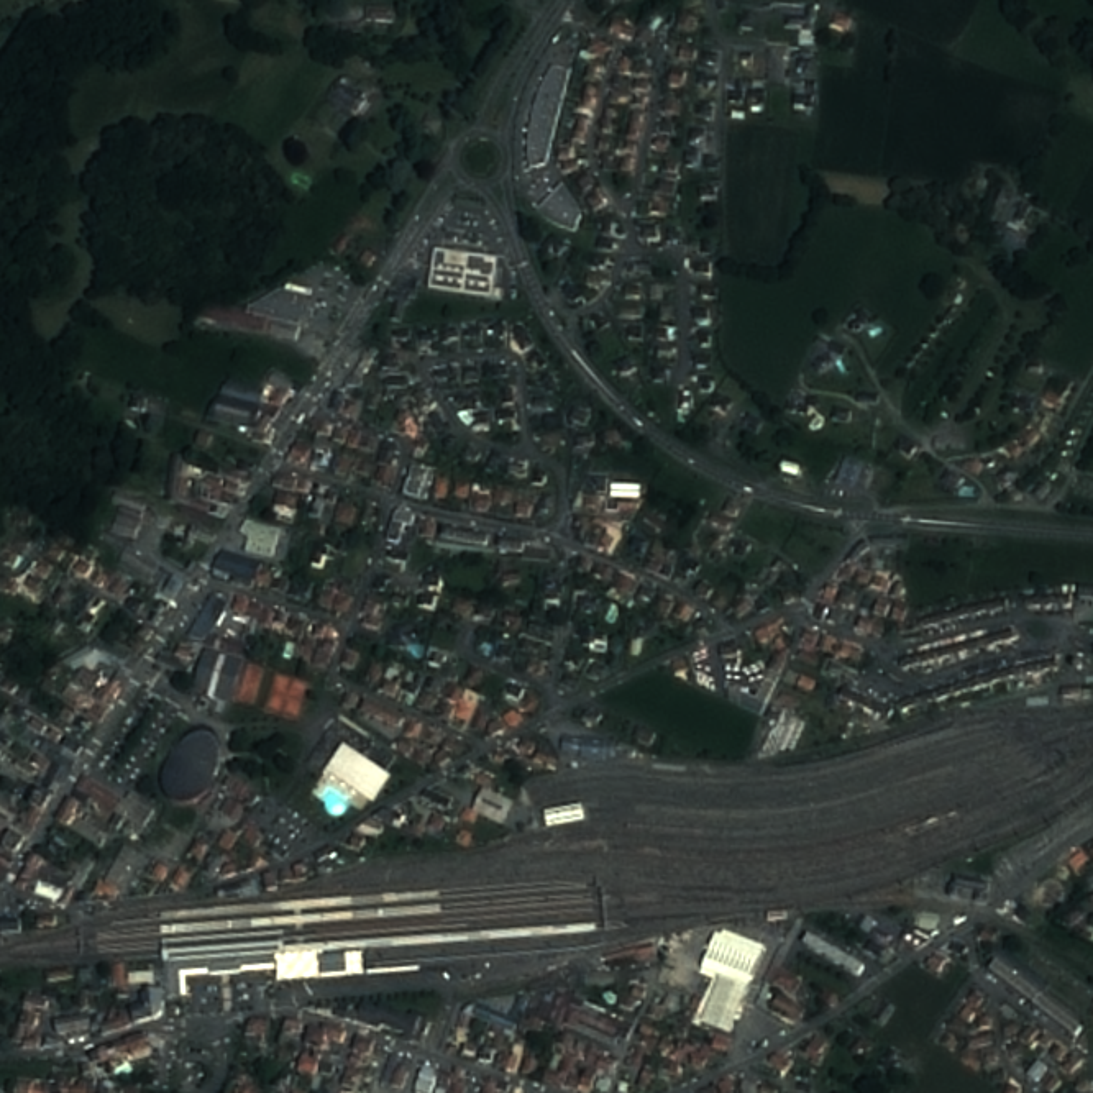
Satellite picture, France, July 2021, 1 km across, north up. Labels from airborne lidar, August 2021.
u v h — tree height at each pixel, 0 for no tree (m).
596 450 7
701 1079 0
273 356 0
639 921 0
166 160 23
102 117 0
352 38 15
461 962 0
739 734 0
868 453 8
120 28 28
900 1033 0
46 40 28
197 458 28
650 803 0
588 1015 0
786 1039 0
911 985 0
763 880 0
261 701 0
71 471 22
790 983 0
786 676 0
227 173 26
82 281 0
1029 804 0
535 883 0
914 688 0
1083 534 0
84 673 0
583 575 7
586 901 0
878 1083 17
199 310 15
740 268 13
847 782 0
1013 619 0
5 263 32
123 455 27
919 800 0
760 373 0
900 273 0
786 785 0
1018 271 14
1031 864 0
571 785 0
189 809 0
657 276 14
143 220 24
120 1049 0
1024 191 6
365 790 0
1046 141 8
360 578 0
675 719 0
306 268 10
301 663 9
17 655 18
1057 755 0
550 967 0
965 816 0
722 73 0
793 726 0
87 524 21
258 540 0
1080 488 0
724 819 0
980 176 12
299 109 0
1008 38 0
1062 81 0
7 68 25
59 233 16
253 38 23
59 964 0
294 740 0
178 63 0
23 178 24
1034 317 0
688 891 0
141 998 0
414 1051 0
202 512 0
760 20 0
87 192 23
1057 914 8
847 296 0
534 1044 14
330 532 14
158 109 0
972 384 0
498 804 0
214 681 0
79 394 12
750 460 13
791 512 0
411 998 9
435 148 31
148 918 0
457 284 0
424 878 0
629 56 7
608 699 0
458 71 17
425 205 0
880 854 0
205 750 0
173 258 26
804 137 0
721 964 0
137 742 17
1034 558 0
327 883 0
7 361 25
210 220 24
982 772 0
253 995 0
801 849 0
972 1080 0
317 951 0
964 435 0
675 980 0
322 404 0
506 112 0
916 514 0
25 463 19
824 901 0
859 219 0
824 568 0
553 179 0
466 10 20
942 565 7
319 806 0
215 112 0
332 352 0
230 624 0
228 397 0
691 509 9
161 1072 0
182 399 0
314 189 12
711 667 0
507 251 0
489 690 0
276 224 24
